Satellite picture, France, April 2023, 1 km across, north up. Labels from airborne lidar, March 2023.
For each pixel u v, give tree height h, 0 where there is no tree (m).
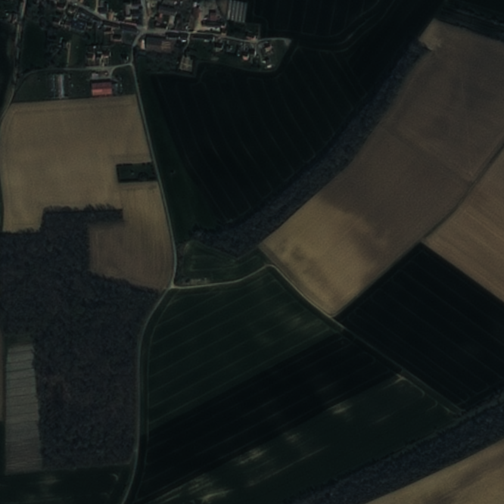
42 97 0
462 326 0
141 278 0
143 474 0
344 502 7
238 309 0
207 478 0
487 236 0
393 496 0
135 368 12
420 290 0
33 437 0
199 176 0
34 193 0
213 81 0
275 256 0
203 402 0
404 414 0
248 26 0
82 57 0
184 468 0
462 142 0
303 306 0
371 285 0
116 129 0
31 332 13
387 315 0
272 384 0
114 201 0
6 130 0
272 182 0
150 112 0
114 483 0
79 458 20
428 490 0
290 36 0
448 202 0
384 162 0
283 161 0
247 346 0
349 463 0
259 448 0
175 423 0
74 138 0
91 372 18
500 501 0
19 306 16
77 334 19
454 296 0
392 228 0
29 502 0
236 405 0
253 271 0
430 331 0
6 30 0
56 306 21
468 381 0
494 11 0
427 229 0
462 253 0
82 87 0
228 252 9
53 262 21
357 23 0
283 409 0
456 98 0
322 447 0
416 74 0
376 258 0
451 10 0
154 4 0
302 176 11
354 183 0
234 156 0
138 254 0
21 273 22
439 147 0
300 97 0
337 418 0
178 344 0
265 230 9
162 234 0
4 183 0
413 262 0
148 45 0
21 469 0
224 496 0
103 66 0
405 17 0
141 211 0
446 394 0
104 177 0
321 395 0
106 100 0
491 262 0
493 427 8
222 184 0
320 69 0
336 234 0
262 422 0
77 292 19
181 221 0
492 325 0
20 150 0
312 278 0
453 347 0
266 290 0
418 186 0
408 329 0
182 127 0
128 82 0
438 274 0
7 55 0
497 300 0
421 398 0
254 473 0
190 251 0
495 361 0
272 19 0
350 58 0
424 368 0
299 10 0
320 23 0
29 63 0
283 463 0
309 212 0
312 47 0
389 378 0
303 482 0
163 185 0
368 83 0
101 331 23
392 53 0
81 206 0
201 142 0
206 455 0
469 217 0
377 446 0
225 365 0
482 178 0
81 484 0
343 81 0
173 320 0
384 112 21
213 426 0
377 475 7
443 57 0
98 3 0
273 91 0
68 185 0
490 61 0
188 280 0
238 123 0
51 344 18
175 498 0
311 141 0
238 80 0
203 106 0
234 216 0
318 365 0
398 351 0
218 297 0
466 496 0
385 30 0
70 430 13
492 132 0
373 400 0
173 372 0
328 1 0
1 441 0
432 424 0
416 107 0
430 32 0
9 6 0
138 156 0
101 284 14
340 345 0
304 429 0
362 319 0
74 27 0
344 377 0
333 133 0
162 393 0
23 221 0
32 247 22
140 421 0
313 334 0
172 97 0
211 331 0
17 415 0
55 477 0
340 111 0
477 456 0
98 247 0
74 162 0
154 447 0
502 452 0
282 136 0
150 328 0
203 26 0
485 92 0
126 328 21
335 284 0
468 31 0
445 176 0
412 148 0
